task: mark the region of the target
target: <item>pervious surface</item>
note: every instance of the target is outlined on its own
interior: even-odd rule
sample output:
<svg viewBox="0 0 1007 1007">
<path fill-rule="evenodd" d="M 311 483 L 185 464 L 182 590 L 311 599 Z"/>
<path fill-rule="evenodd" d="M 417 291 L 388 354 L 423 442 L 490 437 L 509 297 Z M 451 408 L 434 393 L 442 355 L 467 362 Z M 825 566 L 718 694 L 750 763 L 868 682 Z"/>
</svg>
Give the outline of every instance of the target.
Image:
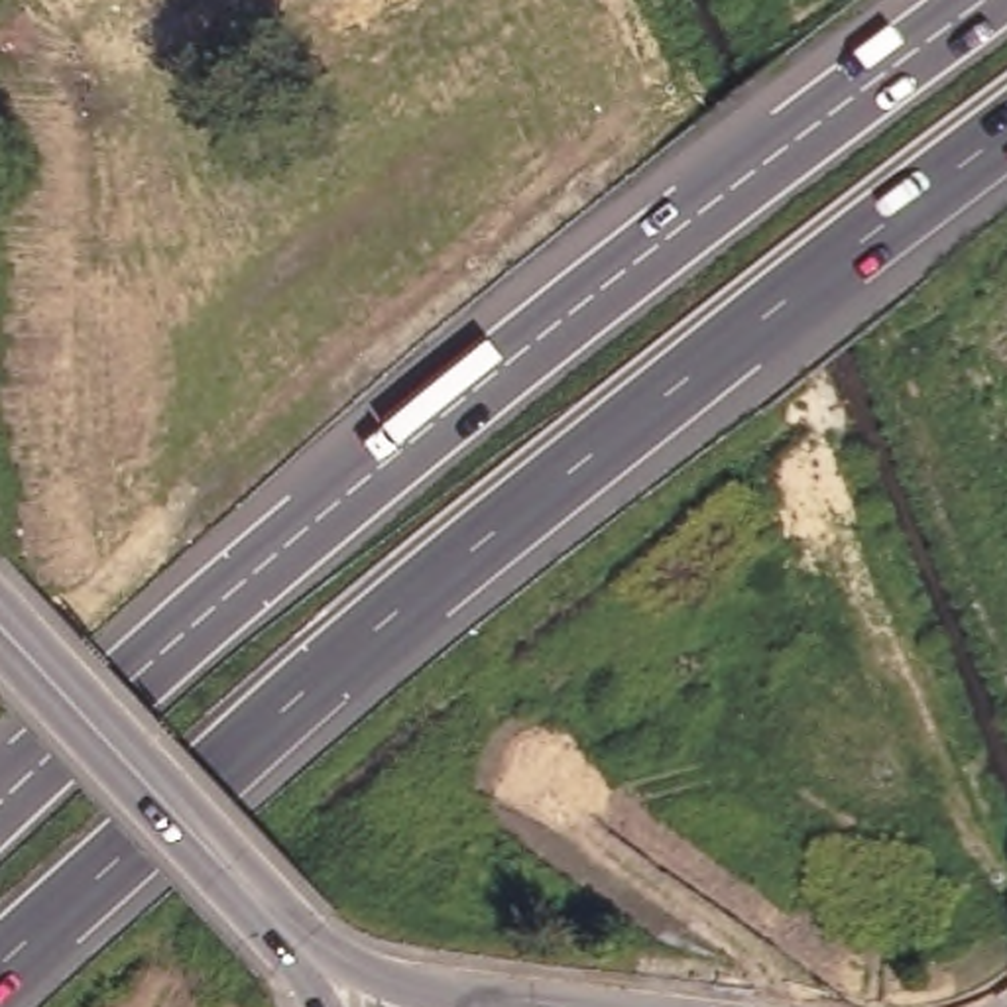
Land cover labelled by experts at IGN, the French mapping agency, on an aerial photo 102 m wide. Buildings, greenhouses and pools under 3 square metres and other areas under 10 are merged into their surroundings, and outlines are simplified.
<svg viewBox="0 0 1007 1007">
<path fill-rule="evenodd" d="M 602 893 L 629 917 L 649 936 L 677 944 L 684 956 L 641 956 L 637 976 L 625 979 L 618 991 L 625 1003 L 688 1007 L 924 1007 L 956 995 L 956 979 L 944 972 L 944 964 L 928 968 L 924 987 L 905 987 L 889 964 L 881 964 L 881 956 L 873 952 L 850 952 L 846 944 L 822 940 L 802 913 L 779 913 L 759 889 L 736 881 L 692 842 L 661 826 L 633 791 L 606 787 L 598 767 L 574 747 L 570 736 L 527 728 L 523 720 L 511 720 L 488 740 L 476 771 L 480 787 L 500 799 L 500 826 L 515 830 L 527 850 L 535 850 L 555 869 L 570 873 L 582 889 Z"/>
<path fill-rule="evenodd" d="M 968 625 L 952 606 L 928 535 L 897 476 L 893 448 L 873 417 L 858 354 L 850 350 L 846 358 L 838 358 L 826 374 L 810 382 L 806 393 L 795 385 L 783 397 L 791 405 L 787 421 L 810 429 L 806 441 L 779 464 L 779 484 L 783 531 L 802 539 L 822 535 L 830 511 L 846 511 L 854 504 L 834 456 L 842 448 L 865 448 L 873 456 L 873 476 L 881 480 L 885 504 L 893 507 L 897 531 L 913 555 L 920 590 L 936 614 L 940 633 L 948 641 L 952 669 L 964 684 L 964 700 L 983 743 L 983 771 L 991 771 L 1007 791 L 1007 736 L 999 728 L 995 696 L 968 645 Z"/>
<path fill-rule="evenodd" d="M 649 31 L 637 0 L 602 0 L 606 35 L 614 43 L 625 43 L 633 59 L 657 51 L 657 35 Z"/>
<path fill-rule="evenodd" d="M 260 248 L 256 224 L 220 228 L 212 220 L 208 197 L 193 177 L 193 161 L 208 153 L 208 130 L 185 126 L 169 98 L 173 75 L 161 67 L 181 51 L 220 43 L 224 31 L 248 24 L 256 28 L 275 8 L 283 8 L 283 20 L 307 35 L 311 55 L 323 67 L 346 55 L 346 47 L 366 31 L 370 16 L 382 12 L 378 0 L 0 0 L 0 51 L 35 59 L 35 79 L 51 87 L 51 94 L 16 94 L 16 114 L 24 118 L 24 126 L 28 126 L 31 142 L 43 153 L 43 173 L 31 197 L 16 205 L 4 224 L 12 264 L 12 311 L 4 319 L 4 330 L 12 346 L 4 354 L 8 385 L 0 389 L 0 405 L 12 425 L 12 460 L 24 476 L 24 504 L 16 527 L 24 551 L 28 559 L 43 559 L 39 574 L 55 582 L 55 598 L 75 606 L 83 622 L 90 622 L 126 586 L 134 586 L 169 555 L 173 527 L 189 511 L 189 504 L 197 500 L 193 484 L 177 484 L 169 492 L 169 504 L 157 507 L 153 480 L 134 476 L 157 456 L 157 413 L 177 382 L 169 338 L 173 326 L 185 326 L 193 311 L 201 311 L 212 299 L 212 283 L 220 275 L 240 271 L 240 264 Z"/>
<path fill-rule="evenodd" d="M 913 716 L 928 747 L 944 732 L 932 716 L 920 673 L 909 669 L 897 681 L 913 704 Z"/>
<path fill-rule="evenodd" d="M 535 244 L 543 232 L 551 232 L 559 216 L 578 208 L 614 169 L 602 161 L 594 173 L 582 173 L 574 185 L 566 185 L 566 193 L 543 216 L 535 216 L 496 260 L 468 260 L 464 279 L 444 287 L 393 334 L 362 350 L 358 362 L 346 366 L 334 382 L 346 389 L 358 382 L 358 374 L 405 358 L 425 326 L 441 323 L 444 311 L 452 311 L 468 291 L 476 291 L 488 275 L 504 267 L 504 260 Z"/>
</svg>

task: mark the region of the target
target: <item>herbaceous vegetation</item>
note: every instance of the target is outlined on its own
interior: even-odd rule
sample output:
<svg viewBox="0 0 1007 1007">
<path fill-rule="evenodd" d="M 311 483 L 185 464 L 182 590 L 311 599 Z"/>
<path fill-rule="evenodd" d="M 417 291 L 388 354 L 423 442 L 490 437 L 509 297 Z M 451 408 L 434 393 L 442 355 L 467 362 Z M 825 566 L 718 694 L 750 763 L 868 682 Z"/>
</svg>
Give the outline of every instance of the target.
<svg viewBox="0 0 1007 1007">
<path fill-rule="evenodd" d="M 0 901 L 12 897 L 35 869 L 43 869 L 71 838 L 79 838 L 98 818 L 98 802 L 87 791 L 67 795 L 12 854 L 0 858 Z"/>
<path fill-rule="evenodd" d="M 952 606 L 968 625 L 968 645 L 995 696 L 999 728 L 1007 736 L 1007 216 L 999 216 L 991 228 L 968 240 L 901 307 L 873 323 L 858 338 L 858 354 L 873 417 L 893 448 L 897 476 L 928 535 Z"/>
<path fill-rule="evenodd" d="M 0 51 L 0 118 L 12 118 L 12 114 L 16 114 L 16 94 L 51 94 L 51 87 L 35 79 L 35 59 Z"/>
<path fill-rule="evenodd" d="M 920 952 L 920 964 L 928 968 L 944 964 L 964 956 L 972 944 L 1007 944 L 1007 791 L 991 771 L 983 771 L 983 743 L 964 700 L 964 684 L 952 669 L 948 641 L 940 633 L 913 649 L 893 629 L 893 618 L 873 590 L 873 578 L 854 535 L 854 504 L 846 511 L 830 511 L 822 535 L 802 539 L 802 566 L 755 559 L 740 582 L 724 578 L 724 586 L 704 602 L 673 602 L 677 614 L 669 622 L 657 622 L 641 614 L 633 602 L 614 598 L 618 578 L 633 570 L 669 535 L 677 535 L 681 523 L 716 492 L 740 484 L 747 492 L 771 492 L 779 484 L 779 464 L 806 441 L 810 429 L 787 421 L 791 405 L 783 397 L 771 409 L 743 421 L 740 429 L 732 429 L 728 437 L 720 437 L 696 460 L 688 460 L 641 504 L 606 523 L 590 543 L 559 559 L 523 594 L 515 594 L 504 610 L 480 622 L 456 649 L 448 649 L 441 661 L 421 669 L 405 688 L 397 688 L 299 783 L 264 802 L 264 822 L 256 830 L 338 913 L 338 920 L 378 940 L 492 956 L 500 948 L 500 928 L 488 909 L 492 881 L 519 873 L 547 897 L 570 897 L 582 889 L 570 873 L 555 869 L 535 850 L 527 850 L 515 830 L 500 826 L 500 799 L 480 787 L 476 771 L 488 740 L 511 720 L 523 720 L 527 728 L 570 736 L 574 747 L 598 767 L 606 787 L 633 791 L 661 826 L 692 842 L 736 881 L 759 889 L 779 913 L 802 913 L 822 940 L 846 944 L 850 952 L 873 952 L 881 956 L 881 964 L 889 964 L 897 952 Z M 932 716 L 944 732 L 928 747 L 913 716 L 913 704 L 897 681 L 909 669 L 920 673 Z"/>
<path fill-rule="evenodd" d="M 201 311 L 193 311 L 185 326 L 173 326 L 169 338 L 177 382 L 157 413 L 157 456 L 134 476 L 153 480 L 157 507 L 169 504 L 169 492 L 177 484 L 193 484 L 197 500 L 189 504 L 189 511 L 201 531 L 220 531 L 240 511 L 240 504 L 248 504 L 267 480 L 275 480 L 275 472 L 303 448 L 299 437 L 326 413 L 326 385 L 334 382 L 346 366 L 358 362 L 362 350 L 393 334 L 444 287 L 464 279 L 468 260 L 496 260 L 535 216 L 543 216 L 566 193 L 566 185 L 574 185 L 582 173 L 594 173 L 602 161 L 614 169 L 622 169 L 641 146 L 657 142 L 681 114 L 688 114 L 708 87 L 716 87 L 728 102 L 743 83 L 783 63 L 795 47 L 806 51 L 834 28 L 842 28 L 865 0 L 637 0 L 649 31 L 657 35 L 657 51 L 633 59 L 625 43 L 614 43 L 606 35 L 602 0 L 378 0 L 382 12 L 370 16 L 366 31 L 346 47 L 346 55 L 323 67 L 323 75 L 315 79 L 315 102 L 307 118 L 295 118 L 291 126 L 256 122 L 252 130 L 212 122 L 208 130 L 208 153 L 193 161 L 193 177 L 208 197 L 212 220 L 220 228 L 256 224 L 260 248 L 240 264 L 240 271 L 220 275 L 212 283 L 212 299 Z"/>
<path fill-rule="evenodd" d="M 0 555 L 12 559 L 24 551 L 16 527 L 24 504 L 24 476 L 12 460 L 12 425 L 0 405 Z"/>
<path fill-rule="evenodd" d="M 677 944 L 649 936 L 629 917 L 622 932 L 586 952 L 590 960 L 582 968 L 625 979 L 637 976 L 641 956 L 684 956 Z"/>
<path fill-rule="evenodd" d="M 118 940 L 110 940 L 94 960 L 87 960 L 83 972 L 47 1007 L 122 1007 L 142 972 L 181 972 L 197 1007 L 275 1007 L 256 968 L 177 889 L 173 897 L 161 897 L 146 917 L 138 917 Z"/>
<path fill-rule="evenodd" d="M 594 389 L 622 362 L 629 362 L 657 334 L 665 334 L 708 295 L 716 295 L 728 279 L 736 279 L 747 264 L 755 264 L 783 236 L 806 224 L 861 173 L 869 173 L 893 149 L 913 142 L 920 130 L 928 130 L 936 118 L 944 118 L 952 106 L 960 106 L 968 94 L 976 94 L 983 83 L 1007 71 L 1007 39 L 991 43 L 972 67 L 952 75 L 932 94 L 913 98 L 881 134 L 861 142 L 834 169 L 826 169 L 818 181 L 783 201 L 771 216 L 763 216 L 751 232 L 728 244 L 696 275 L 673 287 L 641 319 L 633 319 L 590 358 L 566 370 L 551 389 L 527 401 L 484 444 L 476 444 L 452 468 L 444 468 L 374 535 L 366 535 L 307 590 L 299 590 L 240 645 L 232 645 L 212 669 L 205 669 L 173 700 L 169 720 L 161 724 L 165 732 L 197 732 L 208 720 L 208 708 L 224 700 L 248 673 L 256 673 L 279 645 L 287 645 L 315 610 L 323 610 L 350 582 L 358 582 L 378 559 L 385 559 L 405 535 L 433 519 L 472 480 L 496 468 L 511 448 L 519 448 L 531 433 L 555 421 L 586 389 Z"/>
<path fill-rule="evenodd" d="M 31 142 L 31 146 L 28 146 L 24 153 L 4 153 L 4 149 L 0 149 L 0 389 L 8 385 L 4 354 L 12 346 L 4 330 L 4 319 L 12 311 L 12 264 L 4 224 L 16 205 L 31 197 L 43 173 L 43 153 Z"/>
</svg>

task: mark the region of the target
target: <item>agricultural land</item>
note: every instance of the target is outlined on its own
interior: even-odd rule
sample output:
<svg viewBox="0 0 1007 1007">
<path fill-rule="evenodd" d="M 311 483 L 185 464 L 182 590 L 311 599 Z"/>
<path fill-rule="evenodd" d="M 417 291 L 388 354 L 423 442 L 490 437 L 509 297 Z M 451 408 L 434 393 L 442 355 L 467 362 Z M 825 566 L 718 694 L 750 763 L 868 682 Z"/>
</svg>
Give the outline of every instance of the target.
<svg viewBox="0 0 1007 1007">
<path fill-rule="evenodd" d="M 197 1007 L 181 972 L 142 972 L 122 1007 Z"/>
</svg>

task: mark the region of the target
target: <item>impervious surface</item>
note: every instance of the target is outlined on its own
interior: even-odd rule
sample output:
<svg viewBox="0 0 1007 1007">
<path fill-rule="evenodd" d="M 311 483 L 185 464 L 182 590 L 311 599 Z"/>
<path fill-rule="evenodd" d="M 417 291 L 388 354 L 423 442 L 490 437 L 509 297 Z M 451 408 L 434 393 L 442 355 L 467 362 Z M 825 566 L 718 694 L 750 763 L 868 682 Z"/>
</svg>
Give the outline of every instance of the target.
<svg viewBox="0 0 1007 1007">
<path fill-rule="evenodd" d="M 480 622 L 504 610 L 515 594 L 523 594 L 559 559 L 590 543 L 606 523 L 641 504 L 688 460 L 696 460 L 720 437 L 728 437 L 732 429 L 740 429 L 743 421 L 771 409 L 783 397 L 795 385 L 806 393 L 810 382 L 826 374 L 838 358 L 846 358 L 850 350 L 858 354 L 858 338 L 873 323 L 901 307 L 968 240 L 991 228 L 999 216 L 1007 216 L 1007 71 L 983 83 L 976 94 L 968 94 L 960 106 L 952 106 L 944 118 L 936 118 L 928 130 L 920 130 L 913 142 L 893 149 L 869 173 L 861 173 L 806 224 L 783 236 L 755 264 L 747 264 L 736 279 L 728 279 L 716 295 L 708 295 L 665 334 L 657 334 L 629 362 L 622 362 L 594 389 L 586 389 L 555 421 L 531 433 L 519 448 L 511 448 L 496 468 L 472 480 L 433 519 L 405 535 L 385 559 L 378 559 L 358 582 L 350 582 L 323 610 L 315 610 L 287 645 L 279 645 L 256 673 L 248 673 L 224 700 L 208 708 L 208 720 L 197 732 L 165 732 L 161 724 L 169 720 L 173 700 L 205 669 L 212 669 L 232 645 L 240 645 L 299 590 L 307 590 L 366 535 L 374 535 L 444 468 L 452 468 L 476 444 L 484 444 L 527 401 L 551 389 L 566 370 L 590 358 L 633 319 L 641 319 L 673 287 L 696 275 L 728 244 L 751 232 L 763 216 L 771 216 L 783 201 L 818 181 L 826 169 L 834 169 L 861 142 L 881 134 L 913 98 L 932 94 L 952 75 L 972 67 L 991 43 L 1007 39 L 1007 0 L 865 0 L 842 28 L 834 28 L 806 51 L 795 47 L 783 63 L 743 83 L 728 102 L 716 87 L 708 87 L 688 114 L 681 114 L 657 142 L 641 146 L 622 169 L 614 169 L 578 208 L 559 216 L 551 232 L 543 232 L 535 244 L 504 260 L 504 267 L 488 275 L 476 291 L 468 291 L 452 311 L 444 311 L 441 323 L 425 326 L 405 358 L 358 374 L 358 382 L 346 389 L 334 382 L 326 385 L 326 413 L 299 437 L 303 448 L 275 472 L 275 480 L 267 480 L 248 504 L 240 504 L 240 511 L 220 531 L 201 531 L 189 511 L 173 527 L 169 555 L 134 586 L 126 586 L 90 622 L 83 622 L 75 606 L 55 598 L 55 582 L 39 574 L 43 559 L 28 559 L 24 551 L 12 559 L 0 555 L 0 858 L 12 854 L 67 795 L 87 791 L 98 802 L 98 818 L 79 838 L 71 838 L 43 869 L 35 869 L 12 897 L 0 901 L 0 1007 L 47 1007 L 83 972 L 87 960 L 94 960 L 110 940 L 118 940 L 138 917 L 146 917 L 161 897 L 173 897 L 177 889 L 256 968 L 275 1007 L 688 1007 L 625 1003 L 618 991 L 625 979 L 582 968 L 492 956 L 378 940 L 338 920 L 338 913 L 256 830 L 264 822 L 264 802 L 299 783 L 397 688 L 405 688 L 421 669 L 441 661 L 448 649 L 456 649 Z"/>
<path fill-rule="evenodd" d="M 964 956 L 944 964 L 944 972 L 956 979 L 956 995 L 924 1007 L 1007 1007 L 1007 944 L 972 944 Z"/>
</svg>

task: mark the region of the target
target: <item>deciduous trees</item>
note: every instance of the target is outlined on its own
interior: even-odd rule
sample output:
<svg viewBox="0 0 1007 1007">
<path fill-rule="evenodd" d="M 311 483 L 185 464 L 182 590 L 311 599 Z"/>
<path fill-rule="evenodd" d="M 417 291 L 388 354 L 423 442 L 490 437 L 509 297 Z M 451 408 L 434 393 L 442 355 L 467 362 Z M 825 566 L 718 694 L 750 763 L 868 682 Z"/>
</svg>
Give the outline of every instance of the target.
<svg viewBox="0 0 1007 1007">
<path fill-rule="evenodd" d="M 220 43 L 181 51 L 161 67 L 173 75 L 169 98 L 185 126 L 208 130 L 212 122 L 252 130 L 256 122 L 291 126 L 295 118 L 307 118 L 315 102 L 315 79 L 323 75 L 323 67 L 311 55 L 307 35 L 283 20 L 283 8 L 275 8 L 256 28 L 248 24 L 224 31 Z"/>
<path fill-rule="evenodd" d="M 488 909 L 500 928 L 500 948 L 492 956 L 582 968 L 590 960 L 586 952 L 622 932 L 629 917 L 602 893 L 582 889 L 570 897 L 547 897 L 519 873 L 492 881 Z"/>
<path fill-rule="evenodd" d="M 24 118 L 16 114 L 12 114 L 12 118 L 0 118 L 0 149 L 4 149 L 4 153 L 24 153 L 28 146 L 31 146 L 31 142 L 28 126 L 24 126 Z"/>
</svg>

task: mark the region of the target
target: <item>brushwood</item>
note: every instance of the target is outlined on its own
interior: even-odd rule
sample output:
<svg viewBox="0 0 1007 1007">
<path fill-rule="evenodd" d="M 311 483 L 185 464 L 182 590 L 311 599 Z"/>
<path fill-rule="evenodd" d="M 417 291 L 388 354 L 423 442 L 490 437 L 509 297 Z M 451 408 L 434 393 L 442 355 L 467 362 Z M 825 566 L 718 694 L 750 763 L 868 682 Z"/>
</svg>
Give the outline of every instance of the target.
<svg viewBox="0 0 1007 1007">
<path fill-rule="evenodd" d="M 920 590 L 913 555 L 897 531 L 893 507 L 885 504 L 881 480 L 873 476 L 873 456 L 865 448 L 842 448 L 834 456 L 854 504 L 854 535 L 873 578 L 873 590 L 893 618 L 893 629 L 913 649 L 940 633 L 936 614 Z"/>
<path fill-rule="evenodd" d="M 641 614 L 657 622 L 669 622 L 677 614 L 673 602 L 704 602 L 724 586 L 724 578 L 740 582 L 755 559 L 802 566 L 802 539 L 783 531 L 779 484 L 771 492 L 747 492 L 740 484 L 716 492 L 681 523 L 677 535 L 669 535 L 633 570 L 618 578 L 614 598 L 633 602 Z"/>
<path fill-rule="evenodd" d="M 889 964 L 905 987 L 924 987 L 928 968 L 920 964 L 920 952 L 897 952 Z"/>
</svg>

